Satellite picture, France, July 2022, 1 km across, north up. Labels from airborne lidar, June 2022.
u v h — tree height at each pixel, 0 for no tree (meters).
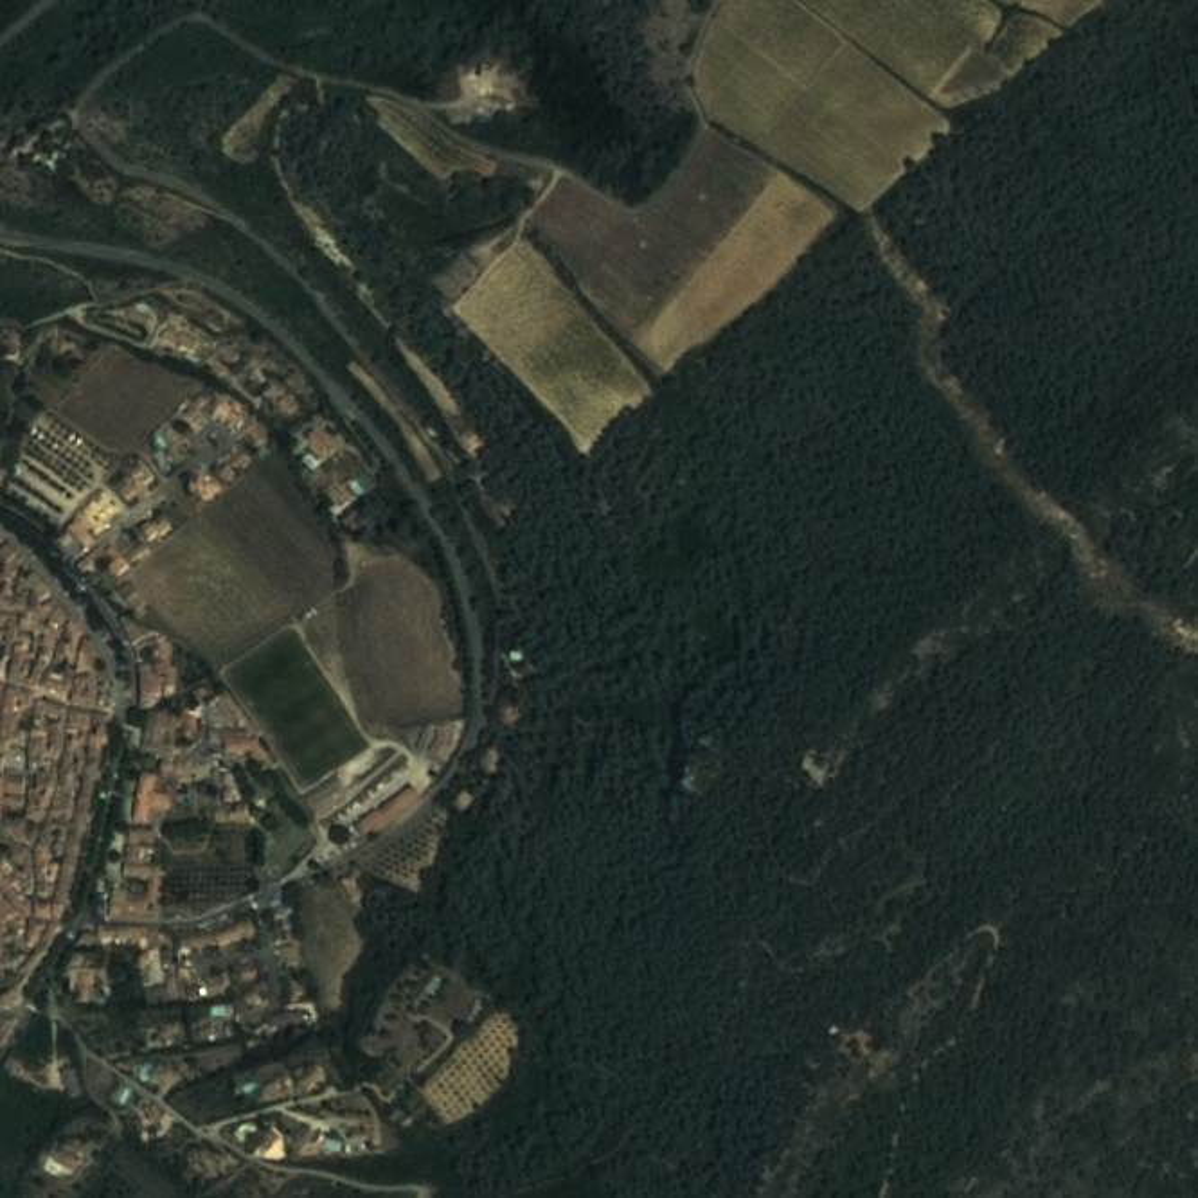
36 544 10
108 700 0
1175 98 13
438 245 10
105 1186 6
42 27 11
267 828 12
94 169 12
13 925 0
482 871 12
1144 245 11
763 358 14
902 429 14
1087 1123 8
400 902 15
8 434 9
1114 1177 8
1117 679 13
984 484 13
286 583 0
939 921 12
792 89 0
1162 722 10
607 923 15
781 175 0
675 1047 15
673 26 0
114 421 0
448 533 16
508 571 18
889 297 12
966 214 11
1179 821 7
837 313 11
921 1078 11
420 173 6
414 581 0
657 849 14
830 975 9
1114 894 11
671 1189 15
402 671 0
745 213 0
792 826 11
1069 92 11
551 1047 12
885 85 0
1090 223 13
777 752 9
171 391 0
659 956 13
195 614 0
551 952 11
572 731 11
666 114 10
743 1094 13
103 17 14
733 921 9
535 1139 8
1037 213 8
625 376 0
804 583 6
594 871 12
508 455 14
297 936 10
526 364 0
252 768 12
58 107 6
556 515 17
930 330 0
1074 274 6
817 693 15
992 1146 10
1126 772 13
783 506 11
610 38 14
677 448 8
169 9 14
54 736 0
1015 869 11
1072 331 11
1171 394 10
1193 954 0
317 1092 7
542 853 16
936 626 7
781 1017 9
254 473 0
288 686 0
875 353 14
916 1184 13
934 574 12
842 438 13
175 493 0
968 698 15
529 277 0
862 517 15
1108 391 13
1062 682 15
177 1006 6
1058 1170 8
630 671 22
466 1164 11
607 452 15
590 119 10
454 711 0
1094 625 15
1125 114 7
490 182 14
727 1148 13
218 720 0
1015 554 9
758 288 0
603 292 0
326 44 7
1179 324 13
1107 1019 13
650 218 0
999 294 12
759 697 9
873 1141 12
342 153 11
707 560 13
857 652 14
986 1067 11
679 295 0
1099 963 9
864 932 9
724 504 13
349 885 0
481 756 10
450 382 10
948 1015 10
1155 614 0
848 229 13
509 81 0
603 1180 15
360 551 0
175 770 0
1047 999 6
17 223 9
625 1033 13
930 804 12
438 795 8
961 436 14
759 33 0
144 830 0
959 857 10
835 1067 13
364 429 9
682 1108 11
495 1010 8
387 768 0
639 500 13
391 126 0
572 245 0
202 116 8
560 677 22
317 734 0
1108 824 12
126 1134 8
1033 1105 10
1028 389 14
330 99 11
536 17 13
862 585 11
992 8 0
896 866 13
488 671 12
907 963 10
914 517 11
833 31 0
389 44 8
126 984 11
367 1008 10
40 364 11
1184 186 9
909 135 0
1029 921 11
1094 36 13
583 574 23
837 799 8
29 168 17
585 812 14
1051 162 12
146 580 0
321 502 6
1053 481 14
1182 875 12
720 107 0
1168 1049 11
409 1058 0
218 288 0
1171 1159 10
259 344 9
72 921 10
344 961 0
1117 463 12
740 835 13
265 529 0
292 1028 12
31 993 11
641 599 12
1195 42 6
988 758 13
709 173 0
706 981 10
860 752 11
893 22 0
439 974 0
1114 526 10
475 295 0
